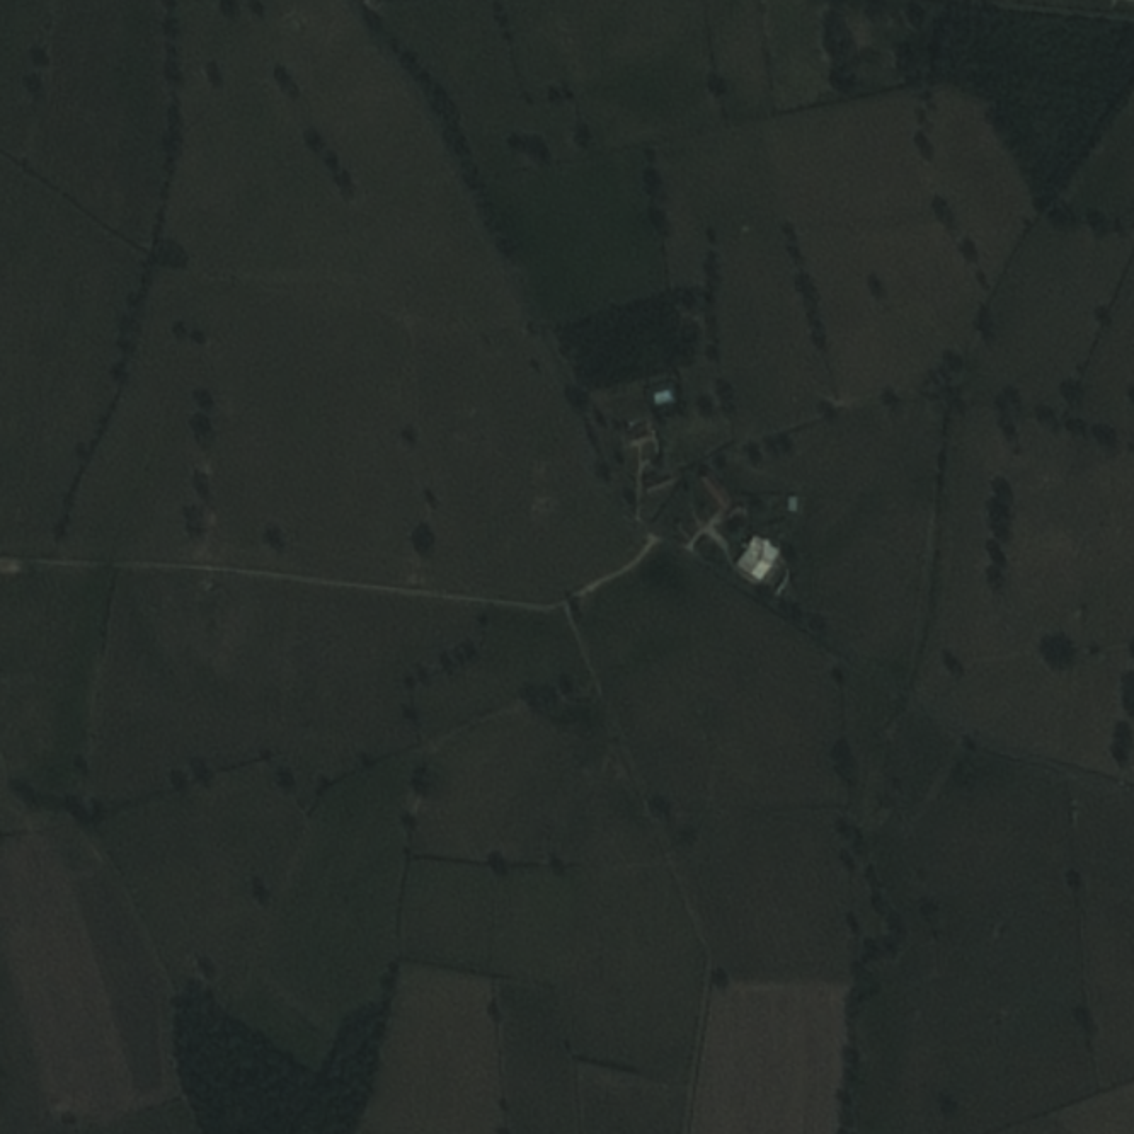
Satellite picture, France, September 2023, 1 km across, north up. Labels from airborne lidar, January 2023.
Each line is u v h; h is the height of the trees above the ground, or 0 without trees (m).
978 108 0
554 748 0
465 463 0
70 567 0
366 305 0
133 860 0
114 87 0
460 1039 0
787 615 14
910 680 0
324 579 0
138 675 0
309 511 0
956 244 0
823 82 0
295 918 0
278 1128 18
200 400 12
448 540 0
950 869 0
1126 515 0
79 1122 0
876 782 0
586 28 0
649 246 0
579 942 0
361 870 0
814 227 0
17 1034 0
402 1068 0
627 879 0
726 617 0
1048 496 0
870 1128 0
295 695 0
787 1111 0
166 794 0
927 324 0
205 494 14
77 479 6
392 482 0
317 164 0
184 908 0
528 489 0
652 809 13
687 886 0
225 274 0
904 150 0
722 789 0
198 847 0
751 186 0
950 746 0
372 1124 0
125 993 0
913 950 0
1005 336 0
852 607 0
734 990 0
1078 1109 0
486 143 0
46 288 0
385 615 0
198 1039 19
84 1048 0
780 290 0
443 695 0
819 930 0
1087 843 0
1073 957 0
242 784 0
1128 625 0
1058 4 0
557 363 0
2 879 0
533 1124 0
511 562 0
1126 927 0
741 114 0
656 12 0
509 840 0
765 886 0
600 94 0
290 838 0
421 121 0
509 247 10
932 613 0
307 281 0
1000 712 0
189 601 0
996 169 0
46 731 0
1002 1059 0
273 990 0
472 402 0
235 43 0
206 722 0
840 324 0
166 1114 0
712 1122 0
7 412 0
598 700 0
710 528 0
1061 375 0
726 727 0
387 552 0
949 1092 0
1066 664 14
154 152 0
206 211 0
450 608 0
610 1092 0
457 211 0
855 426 0
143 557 0
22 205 0
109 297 0
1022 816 0
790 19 0
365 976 0
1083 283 0
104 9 0
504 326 0
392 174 0
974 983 0
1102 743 0
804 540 0
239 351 0
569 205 0
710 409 16
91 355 0
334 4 0
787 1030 0
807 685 0
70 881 0
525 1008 0
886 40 0
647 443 0
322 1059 0
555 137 0
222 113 0
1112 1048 0
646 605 0
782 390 0
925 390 0
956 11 12
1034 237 0
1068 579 0
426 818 0
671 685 0
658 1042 0
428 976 0
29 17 0
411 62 13
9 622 0
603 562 0
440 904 0
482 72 0
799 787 0
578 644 0
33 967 0
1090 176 0
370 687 0
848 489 0
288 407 0
